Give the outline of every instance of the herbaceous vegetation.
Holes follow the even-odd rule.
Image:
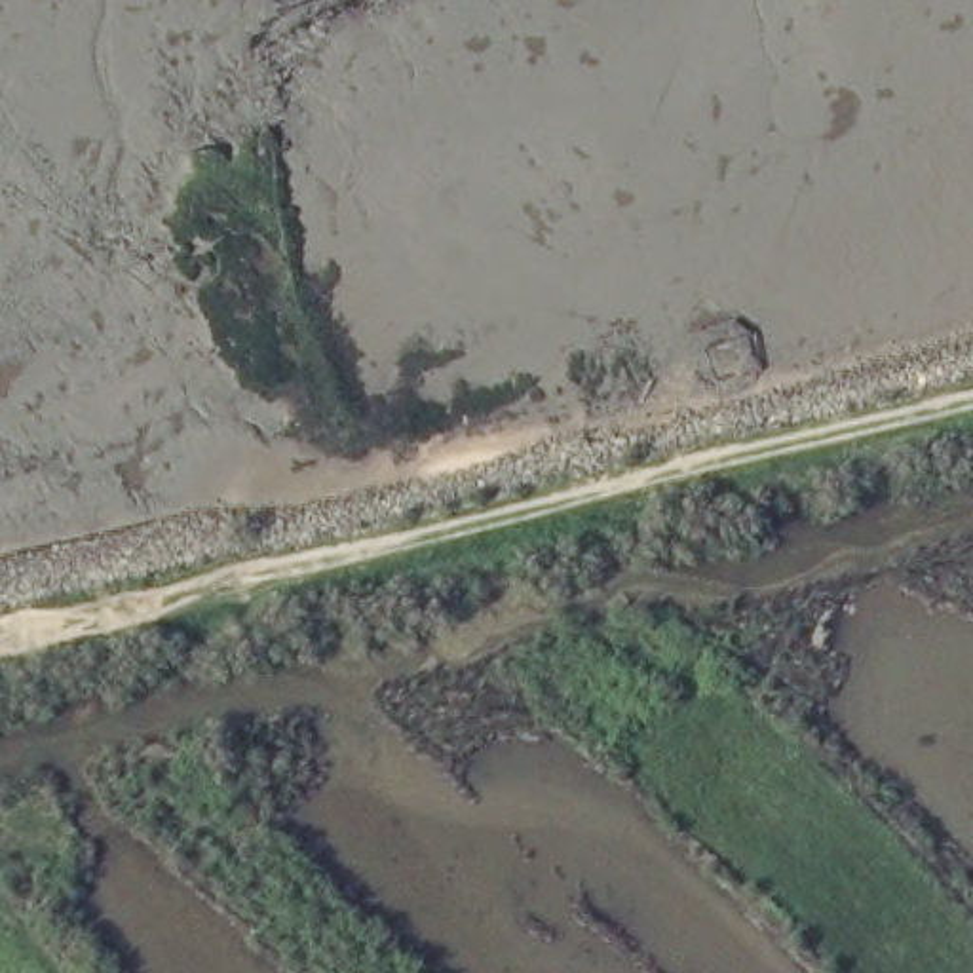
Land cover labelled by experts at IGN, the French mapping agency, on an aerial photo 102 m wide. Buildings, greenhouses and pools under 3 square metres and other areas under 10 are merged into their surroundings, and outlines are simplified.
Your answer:
[[[217,589],[209,601],[175,616],[198,631],[224,631],[239,620],[255,620],[262,608],[270,608],[300,585],[395,585],[410,574],[456,578],[460,570],[506,570],[540,547],[563,547],[582,536],[612,540],[616,532],[639,528],[642,502],[631,494],[601,498],[578,509],[563,509],[551,517],[521,521],[509,528],[448,544],[395,551],[372,563],[353,563],[296,582],[258,582],[239,593]]]
[[[555,646],[551,631],[528,631],[464,669],[422,669],[403,680],[380,684],[372,692],[372,711],[388,730],[399,734],[399,741],[418,760],[433,764],[437,775],[460,775],[464,756],[471,749],[479,749],[490,737],[517,734],[559,734],[585,764],[601,772],[612,764],[616,749],[601,745],[593,707],[585,699],[566,699],[555,680],[536,684],[540,650]]]
[[[61,794],[49,779],[38,779],[30,772],[0,783],[0,973],[61,973],[46,954],[57,954],[57,935],[65,931],[65,924],[30,912],[15,901],[30,893],[30,870],[11,870],[11,848],[46,848],[65,855],[72,848],[72,832],[61,813]]]
[[[973,429],[973,410],[718,471],[722,479],[749,490],[787,483],[802,490],[825,467],[851,460],[882,460],[893,448],[908,448],[927,437]]]
[[[677,612],[692,639],[726,639],[730,650],[722,658],[734,661],[741,673],[760,677],[760,684],[753,692],[734,688],[722,699],[699,696],[696,688],[688,703],[661,696],[642,722],[631,722],[620,734],[620,745],[639,756],[642,787],[669,794],[688,813],[692,829],[707,836],[703,851],[715,855],[715,874],[730,878],[734,886],[756,889],[753,905],[745,908],[775,935],[775,943],[806,973],[973,973],[973,882],[962,874],[954,855],[946,855],[931,851],[931,840],[920,825],[897,817],[893,794],[878,787],[867,772],[851,768],[836,753],[836,745],[817,741],[817,734],[802,718],[760,699],[768,688],[783,692],[787,680],[779,673],[787,673],[802,658],[794,650],[798,623],[806,616],[825,612],[825,604],[848,593],[870,585],[897,585],[924,608],[950,612],[973,623],[973,532],[946,547],[912,551],[893,563],[848,570],[791,593],[764,593],[753,601],[726,601]]]
[[[236,566],[251,559],[247,551],[224,555],[171,566],[160,574],[103,582],[110,597],[186,582],[217,566]]]

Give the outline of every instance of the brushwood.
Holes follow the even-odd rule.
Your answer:
[[[65,897],[72,886],[76,859],[87,855],[87,844],[72,832],[72,848],[65,855],[46,848],[11,848],[11,870],[30,870],[30,893],[15,901],[30,912],[65,924],[65,931],[57,935],[57,954],[46,954],[61,973],[118,973],[110,958],[95,950],[91,935],[80,927],[76,905]]]
[[[692,639],[677,612],[669,612],[665,620],[650,620],[642,608],[616,604],[608,620],[593,627],[563,620],[551,631],[555,646],[540,650],[536,684],[555,680],[566,699],[585,699],[593,707],[601,745],[616,749],[612,764],[601,772],[612,787],[620,787],[642,806],[650,825],[669,844],[677,844],[707,882],[715,882],[745,908],[753,905],[756,889],[734,886],[730,878],[715,874],[715,855],[703,851],[707,836],[692,829],[688,813],[669,794],[642,787],[639,756],[620,745],[620,734],[631,722],[642,722],[661,696],[688,703],[696,688],[699,696],[722,699],[734,688],[753,692],[760,684],[760,677],[741,673],[734,661],[722,658],[730,650],[726,639]]]
[[[582,897],[566,897],[570,920],[585,927],[585,935],[593,935],[608,954],[616,954],[631,973],[654,973],[646,954],[627,954],[616,935],[585,920]]]
[[[901,772],[863,756],[844,722],[832,715],[844,684],[840,665],[825,658],[802,658],[787,673],[779,673],[787,680],[783,692],[768,688],[760,699],[802,718],[817,734],[817,741],[836,745],[836,753],[851,768],[867,772],[878,787],[893,794],[897,817],[920,825],[931,840],[931,851],[946,855],[954,848],[950,829],[920,802],[916,787]]]
[[[190,175],[175,194],[171,243],[175,270],[182,277],[213,270],[213,285],[198,293],[198,304],[209,319],[213,342],[220,357],[239,372],[243,388],[258,391],[262,399],[285,399],[293,407],[285,429],[293,441],[308,441],[327,456],[342,460],[365,460],[384,448],[391,452],[391,460],[410,460],[422,441],[429,441],[433,433],[452,433],[464,418],[479,418],[487,426],[487,418],[506,403],[544,399],[544,384],[532,372],[521,372],[490,388],[475,388],[464,380],[445,403],[422,399],[422,376],[429,369],[464,357],[464,346],[429,350],[426,342],[403,350],[399,384],[391,391],[369,395],[357,376],[357,346],[346,323],[331,312],[334,285],[342,277],[338,262],[327,262],[315,274],[308,270],[304,224],[293,201],[285,160],[289,141],[281,125],[266,125],[266,133],[239,141],[236,148],[228,141],[213,141],[209,156],[190,156]]]
[[[232,711],[220,722],[201,718],[186,734],[167,734],[152,745],[133,741],[114,753],[103,749],[87,760],[84,779],[114,825],[141,840],[175,882],[198,893],[209,908],[217,908],[255,954],[270,958],[277,973],[418,973],[418,962],[395,946],[391,935],[384,935],[380,924],[365,920],[346,897],[338,897],[338,889],[323,874],[315,874],[312,863],[296,851],[296,844],[274,829],[274,821],[289,810],[312,764],[312,745],[300,711],[270,711],[262,718],[251,718],[251,711]]]
[[[270,608],[262,608],[255,620],[239,620],[224,631],[198,631],[175,616],[0,658],[0,730],[46,722],[68,696],[95,696],[106,707],[122,707],[137,688],[163,692],[182,680],[220,684],[228,677],[255,680],[266,677],[274,665],[312,665],[315,658],[334,658],[342,650],[357,658],[380,642],[410,650],[422,631],[445,631],[452,620],[464,623],[498,604],[506,593],[513,593],[517,601],[544,604],[563,601],[578,589],[589,593],[597,582],[608,585],[627,563],[646,570],[658,563],[753,555],[764,547],[764,540],[787,544],[787,528],[806,509],[817,521],[829,521],[851,513],[855,498],[867,490],[886,490],[897,502],[920,502],[954,487],[973,487],[973,429],[927,437],[908,448],[893,448],[882,460],[851,460],[825,467],[802,490],[787,483],[749,490],[722,479],[718,471],[642,487],[631,494],[642,502],[639,528],[616,532],[612,540],[582,536],[563,547],[540,547],[506,570],[460,570],[456,578],[410,574],[395,585],[300,585]]]

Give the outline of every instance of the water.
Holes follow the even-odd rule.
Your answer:
[[[528,631],[551,631],[563,620],[593,627],[608,620],[616,604],[642,608],[650,620],[665,620],[669,612],[677,612],[726,601],[753,601],[764,593],[791,593],[848,570],[893,563],[912,551],[946,547],[973,532],[973,487],[954,487],[920,502],[897,502],[886,490],[867,490],[855,498],[851,513],[829,521],[817,521],[806,509],[787,528],[787,544],[764,540],[764,547],[753,555],[658,563],[646,570],[627,563],[608,585],[597,582],[589,593],[578,589],[563,601],[544,604],[517,601],[513,593],[506,593],[498,604],[464,623],[452,620],[445,631],[422,631],[410,650],[380,642],[357,658],[342,650],[334,658],[315,658],[312,665],[274,665],[266,677],[255,680],[228,677],[220,684],[182,680],[163,692],[137,688],[122,707],[106,707],[95,696],[68,696],[46,722],[0,730],[0,783],[30,772],[38,779],[49,779],[61,794],[61,813],[72,832],[87,844],[87,855],[76,859],[72,886],[65,897],[76,905],[80,927],[91,935],[95,950],[110,958],[118,973],[277,973],[270,958],[255,954],[217,908],[209,908],[198,893],[175,882],[141,840],[114,825],[84,779],[87,760],[103,749],[114,753],[133,741],[152,745],[167,734],[186,734],[201,718],[220,722],[232,711],[251,711],[251,718],[262,718],[270,711],[300,711],[312,745],[312,764],[289,810],[274,821],[274,829],[296,844],[296,851],[312,863],[315,874],[323,874],[338,889],[338,897],[346,897],[365,920],[380,924],[384,935],[391,935],[395,946],[418,962],[418,973],[631,973],[616,954],[608,954],[593,935],[585,935],[585,927],[570,920],[566,897],[582,897],[585,920],[616,935],[627,954],[646,954],[654,973],[806,973],[775,943],[775,935],[745,908],[715,882],[707,882],[677,844],[669,844],[650,825],[642,806],[620,787],[612,787],[601,772],[585,764],[559,734],[517,734],[490,737],[479,749],[471,749],[464,756],[460,775],[437,775],[433,764],[418,760],[399,741],[399,734],[388,730],[372,711],[372,692],[380,684],[403,680],[422,669],[464,669]]]
[[[950,612],[924,608],[897,585],[870,585],[848,593],[825,604],[825,612],[829,631],[825,646],[817,646],[825,658],[840,665],[844,684],[832,715],[844,722],[863,756],[901,772],[916,787],[920,802],[950,829],[954,848],[946,855],[954,855],[962,874],[973,882],[973,623]]]

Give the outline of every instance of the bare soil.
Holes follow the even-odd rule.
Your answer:
[[[802,658],[825,658],[817,646],[825,646],[829,631],[825,612],[806,616],[798,623],[794,650]]]
[[[464,418],[452,433],[433,433],[429,441],[422,441],[410,460],[391,460],[391,452],[384,448],[365,460],[342,460],[327,456],[308,441],[293,441],[285,429],[293,407],[285,399],[262,399],[258,391],[243,388],[239,372],[220,357],[213,342],[209,319],[198,304],[198,293],[213,285],[213,270],[182,277],[175,270],[171,243],[175,194],[190,175],[190,156],[209,156],[213,141],[228,141],[236,148],[239,141],[266,133],[266,125],[281,125],[289,141],[285,160],[293,201],[304,224],[308,270],[315,274],[327,262],[338,262],[342,277],[334,285],[331,312],[346,323],[357,346],[357,376],[369,395],[391,391],[399,384],[403,350],[426,342],[429,350],[464,346],[464,357],[429,369],[422,376],[422,399],[445,403],[464,380],[475,388],[490,388],[521,372],[532,372],[544,384],[544,399],[506,403],[487,418],[487,426],[479,418]],[[441,479],[544,441],[547,426],[566,441],[593,445],[597,437],[623,437],[627,448],[635,448],[639,441],[658,441],[669,426],[677,426],[677,410],[699,410],[715,395],[734,399],[753,388],[756,395],[768,395],[813,376],[832,376],[840,369],[897,357],[946,338],[973,338],[973,0],[0,0],[0,555],[30,544],[53,547],[76,532],[106,532],[118,525],[133,525],[152,509],[179,517],[182,509],[198,506],[274,509],[395,479]]]
[[[217,547],[224,555],[247,551],[251,559],[266,555],[270,547],[258,536],[251,536],[239,521],[217,525]]]

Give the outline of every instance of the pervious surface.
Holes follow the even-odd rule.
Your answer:
[[[395,479],[274,509],[198,506],[182,509],[179,517],[152,509],[133,525],[118,525],[106,532],[76,532],[53,547],[30,544],[0,555],[0,658],[175,616],[209,601],[217,589],[239,593],[258,582],[296,582],[353,563],[372,563],[395,551],[448,544],[509,528],[521,521],[551,517],[563,509],[578,509],[601,498],[631,494],[642,487],[718,471],[973,410],[973,338],[946,338],[897,357],[840,369],[832,376],[813,376],[768,395],[756,395],[753,388],[734,399],[715,395],[699,410],[677,410],[677,426],[669,426],[658,441],[639,441],[635,448],[627,448],[623,437],[597,437],[593,445],[566,441],[547,426],[544,441],[441,479]],[[266,555],[251,559],[236,566],[217,566],[186,582],[110,597],[103,582],[160,574],[171,566],[224,555],[217,547],[217,525],[239,521],[251,536],[258,536],[270,547]]]

